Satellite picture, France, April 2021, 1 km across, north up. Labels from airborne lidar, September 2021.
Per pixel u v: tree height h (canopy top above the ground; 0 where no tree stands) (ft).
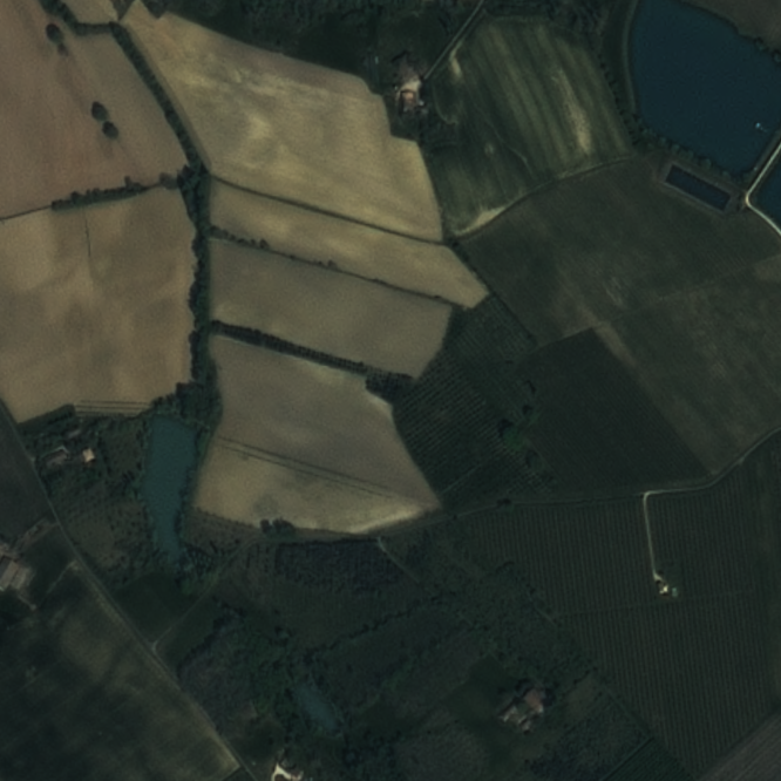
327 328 0
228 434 0
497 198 0
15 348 0
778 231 0
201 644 0
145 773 0
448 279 0
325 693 80
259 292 0
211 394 58
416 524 0
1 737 0
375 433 0
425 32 0
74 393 0
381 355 0
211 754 0
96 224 0
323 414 0
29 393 0
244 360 0
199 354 94
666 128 0
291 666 28
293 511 0
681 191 0
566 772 35
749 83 0
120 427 41
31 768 0
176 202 0
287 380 0
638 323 0
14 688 0
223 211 0
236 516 0
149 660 0
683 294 0
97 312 0
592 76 0
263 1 44
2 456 0
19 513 0
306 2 45
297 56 0
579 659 25
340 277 0
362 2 80
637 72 0
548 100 0
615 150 0
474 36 0
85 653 0
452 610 47
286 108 0
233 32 0
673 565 26
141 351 0
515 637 23
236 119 0
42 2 72
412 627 53
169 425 0
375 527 0
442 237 0
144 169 0
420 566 29
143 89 0
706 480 0
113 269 0
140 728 0
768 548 0
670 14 0
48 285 0
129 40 42
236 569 30
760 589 0
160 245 0
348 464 0
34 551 0
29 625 0
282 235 0
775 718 26
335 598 28
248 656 76
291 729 64
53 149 0
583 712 0
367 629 31
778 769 24
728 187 0
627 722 20
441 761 35
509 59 0
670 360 0
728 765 28
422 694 58
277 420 0
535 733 26
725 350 0
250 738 26
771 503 0
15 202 0
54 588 0
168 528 0
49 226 0
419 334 0
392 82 0
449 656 65
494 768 0
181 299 0
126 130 0
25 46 0
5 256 0
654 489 0
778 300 0
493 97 0
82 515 24
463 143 0
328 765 47
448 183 0
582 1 0
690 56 0
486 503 0
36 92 0
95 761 0
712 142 0
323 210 0
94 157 0
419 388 18
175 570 51
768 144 0
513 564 19
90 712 0
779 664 0
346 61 0
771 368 0
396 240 0
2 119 0
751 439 0
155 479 0
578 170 0
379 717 0
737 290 0
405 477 0
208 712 56
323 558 40
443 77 0
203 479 0
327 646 31
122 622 0
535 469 48
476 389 22
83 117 0
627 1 0
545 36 0
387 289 0
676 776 22
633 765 20
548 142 0
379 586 37
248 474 0
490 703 0
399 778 63
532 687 25
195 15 0
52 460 0
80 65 0
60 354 0
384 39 0
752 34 0
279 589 36
